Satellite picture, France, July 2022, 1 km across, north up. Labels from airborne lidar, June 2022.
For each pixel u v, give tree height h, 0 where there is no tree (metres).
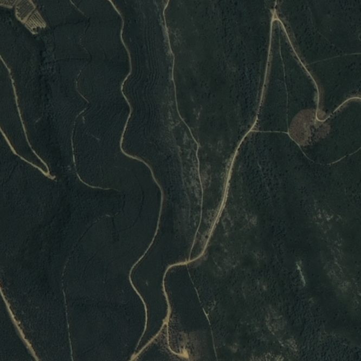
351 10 12
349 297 0
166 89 0
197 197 0
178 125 0
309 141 7
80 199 8
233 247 0
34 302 6
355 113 0
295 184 0
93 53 7
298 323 14
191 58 0
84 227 8
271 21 0
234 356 0
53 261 9
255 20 0
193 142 0
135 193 8
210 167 0
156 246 6
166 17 0
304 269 0
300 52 0
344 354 10
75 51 8
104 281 7
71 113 6
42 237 10
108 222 6
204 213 0
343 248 0
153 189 8
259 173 14
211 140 0
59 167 11
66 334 6
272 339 0
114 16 8
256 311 11
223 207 0
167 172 6
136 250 5
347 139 0
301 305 12
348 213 0
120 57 7
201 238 0
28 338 8
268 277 10
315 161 10
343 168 0
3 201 10
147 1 0
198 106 0
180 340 6
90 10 6
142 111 6
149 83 7
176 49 0
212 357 0
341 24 0
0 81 6
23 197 11
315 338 10
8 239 9
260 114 10
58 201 8
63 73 6
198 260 0
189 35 0
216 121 0
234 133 0
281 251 10
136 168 5
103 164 5
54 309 6
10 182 12
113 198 7
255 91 8
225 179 0
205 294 8
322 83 0
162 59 0
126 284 6
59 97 6
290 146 6
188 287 6
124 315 9
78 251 8
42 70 9
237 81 9
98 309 7
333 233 0
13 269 6
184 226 0
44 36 6
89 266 6
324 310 0
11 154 6
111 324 7
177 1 0
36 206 8
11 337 8
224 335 11
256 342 11
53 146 9
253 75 8
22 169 6
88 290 6
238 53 7
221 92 0
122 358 7
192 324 6
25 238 11
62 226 8
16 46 7
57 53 7
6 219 11
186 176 0
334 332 0
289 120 0
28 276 8
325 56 0
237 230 10
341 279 0
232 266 0
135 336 6
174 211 0
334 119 7
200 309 6
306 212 6
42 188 7
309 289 0
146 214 6
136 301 6
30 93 9
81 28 6
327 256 0
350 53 0
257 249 0
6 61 7
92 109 6
